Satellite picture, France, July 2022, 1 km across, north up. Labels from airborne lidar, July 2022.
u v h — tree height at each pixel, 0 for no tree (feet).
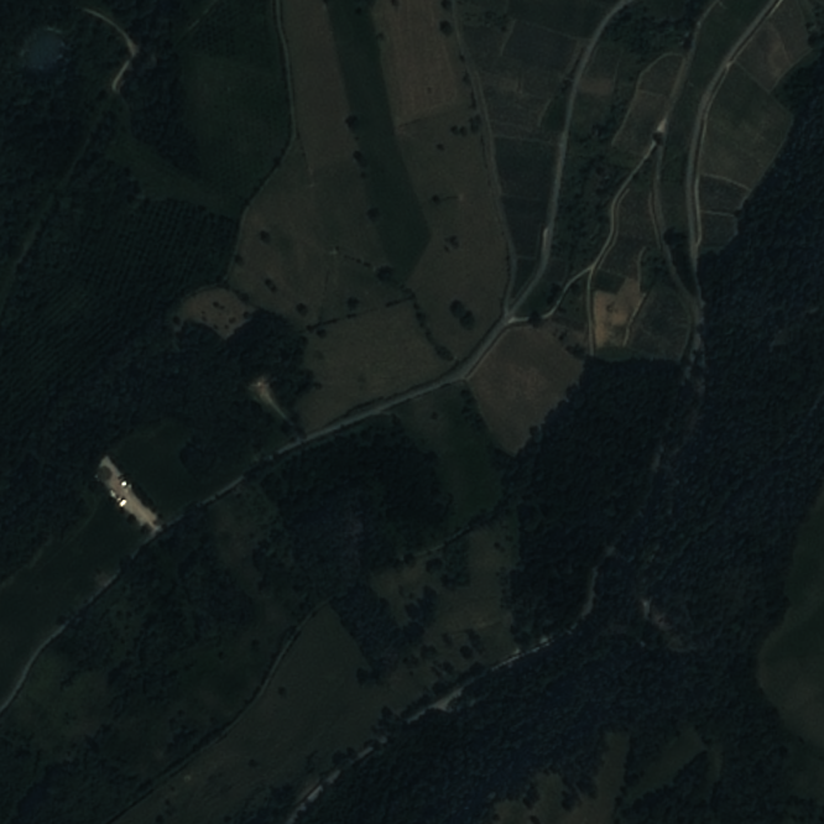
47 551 0
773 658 0
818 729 0
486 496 0
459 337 0
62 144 85
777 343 18
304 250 0
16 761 52
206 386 99
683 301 0
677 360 0
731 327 58
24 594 0
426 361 0
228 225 32
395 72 0
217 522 0
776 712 51
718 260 62
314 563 71
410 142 0
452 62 0
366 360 0
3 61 59
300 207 0
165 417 67
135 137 43
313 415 0
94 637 60
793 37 0
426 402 0
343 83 0
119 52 41
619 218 0
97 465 46
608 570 55
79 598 0
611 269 0
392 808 104
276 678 0
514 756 29
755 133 0
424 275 0
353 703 0
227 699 0
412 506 46
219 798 0
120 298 19
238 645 0
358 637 54
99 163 62
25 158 66
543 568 60
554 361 0
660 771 0
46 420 47
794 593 0
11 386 22
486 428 32
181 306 54
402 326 0
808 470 46
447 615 0
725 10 0
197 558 85
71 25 35
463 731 42
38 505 75
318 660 0
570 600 91
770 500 33
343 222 0
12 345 22
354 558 90
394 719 45
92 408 85
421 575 0
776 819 66
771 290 55
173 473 0
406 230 0
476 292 0
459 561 19
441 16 0
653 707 73
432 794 106
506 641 0
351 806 40
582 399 54
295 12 0
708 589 28
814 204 54
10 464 50
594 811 0
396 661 56
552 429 54
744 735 69
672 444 88
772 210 49
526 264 0
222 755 0
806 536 0
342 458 47
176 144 79
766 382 89
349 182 0
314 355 0
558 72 0
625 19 43
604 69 0
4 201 27
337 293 0
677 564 41
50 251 34
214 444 75
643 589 36
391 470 49
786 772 51
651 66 0
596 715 57
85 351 37
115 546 0
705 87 0
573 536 55
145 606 27
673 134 0
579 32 0
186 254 30
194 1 19
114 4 53
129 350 54
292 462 19
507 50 0
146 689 45
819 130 62
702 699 60
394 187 0
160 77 62
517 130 0
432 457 45
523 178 0
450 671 66
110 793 26
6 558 58
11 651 0
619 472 97
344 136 0
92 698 0
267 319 61
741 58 0
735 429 105
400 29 0
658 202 0
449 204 0
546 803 0
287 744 0
